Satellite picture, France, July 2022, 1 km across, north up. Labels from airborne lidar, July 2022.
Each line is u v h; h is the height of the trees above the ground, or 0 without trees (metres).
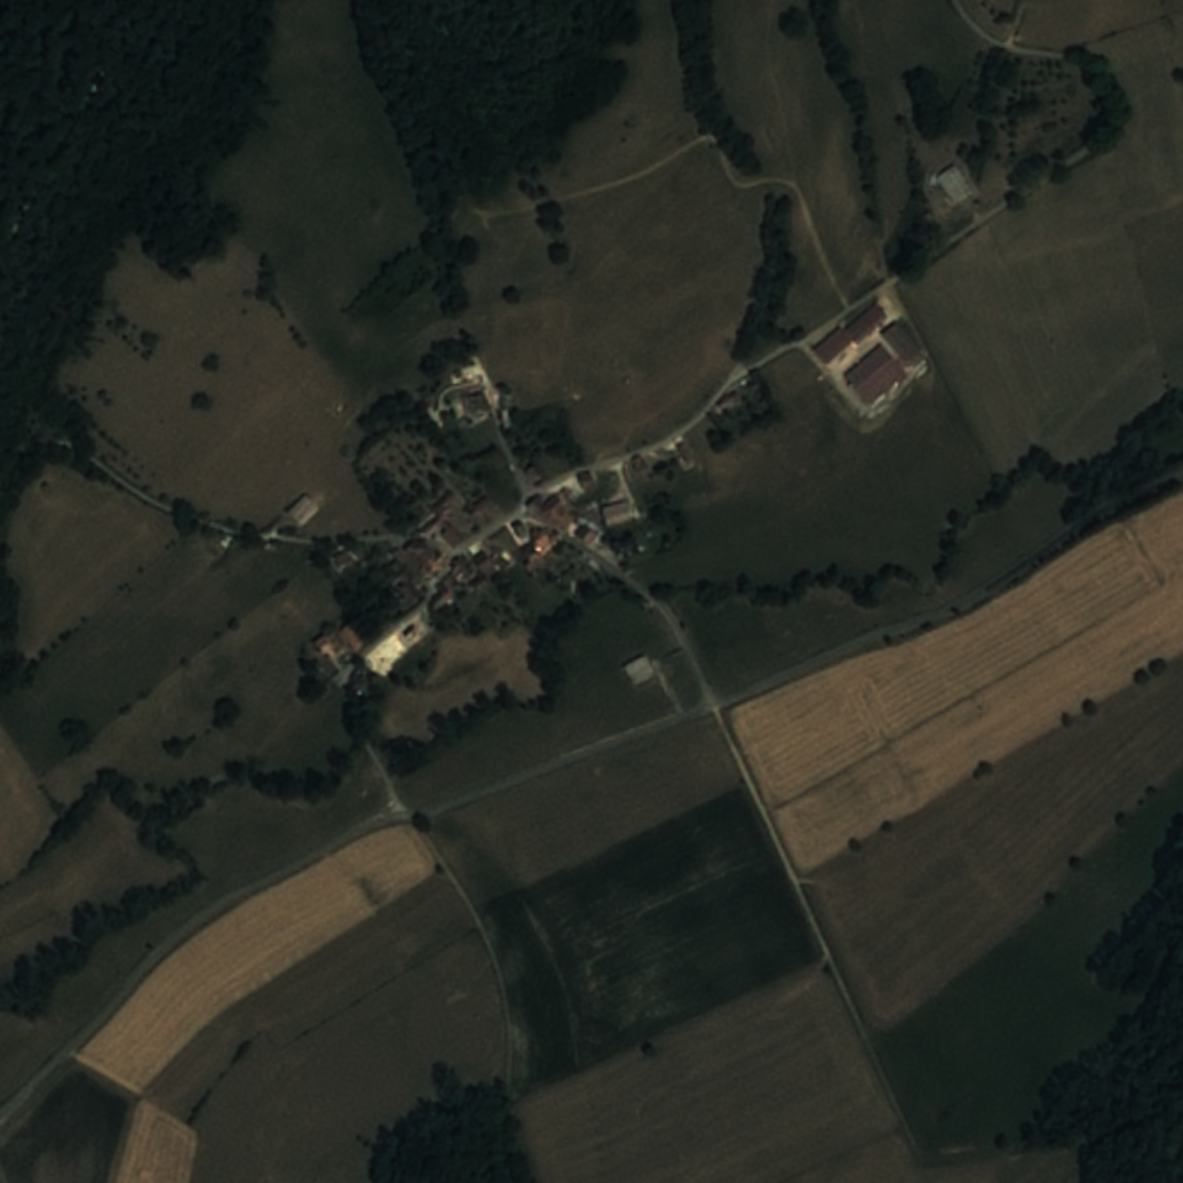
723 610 0
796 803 0
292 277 0
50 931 0
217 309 0
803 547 0
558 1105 0
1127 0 0
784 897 0
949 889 0
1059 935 0
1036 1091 0
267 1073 0
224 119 28
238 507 0
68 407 15
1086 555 0
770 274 19
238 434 0
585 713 0
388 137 0
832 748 0
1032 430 0
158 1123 0
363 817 0
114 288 0
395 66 27
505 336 0
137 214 19
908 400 0
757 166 9
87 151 18
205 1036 0
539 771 0
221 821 0
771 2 0
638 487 0
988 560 0
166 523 0
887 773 0
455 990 0
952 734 0
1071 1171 0
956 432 0
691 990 0
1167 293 0
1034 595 0
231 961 0
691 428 0
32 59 22
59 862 0
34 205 21
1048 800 0
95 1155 0
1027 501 0
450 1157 25
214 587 0
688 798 0
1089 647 0
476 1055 0
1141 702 0
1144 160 0
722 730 0
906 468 0
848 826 0
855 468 0
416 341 0
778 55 0
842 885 0
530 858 0
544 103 27
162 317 0
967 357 0
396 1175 17
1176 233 0
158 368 0
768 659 0
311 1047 0
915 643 0
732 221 0
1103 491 26
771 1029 0
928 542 0
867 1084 0
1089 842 0
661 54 0
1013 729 0
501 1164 27
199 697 0
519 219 0
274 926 0
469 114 23
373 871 0
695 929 0
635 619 0
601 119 0
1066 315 0
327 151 0
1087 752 0
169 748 14
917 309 0
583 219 0
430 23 19
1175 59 0
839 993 0
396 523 11
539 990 0
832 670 0
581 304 0
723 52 0
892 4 0
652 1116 0
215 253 32
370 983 0
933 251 27
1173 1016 22
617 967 0
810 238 0
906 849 0
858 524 0
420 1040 0
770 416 9
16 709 0
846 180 0
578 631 18
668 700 0
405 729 0
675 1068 0
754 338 22
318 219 0
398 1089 0
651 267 0
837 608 0
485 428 0
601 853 0
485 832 0
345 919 0
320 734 0
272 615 0
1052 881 0
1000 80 22
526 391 0
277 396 0
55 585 0
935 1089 0
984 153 15
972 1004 0
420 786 0
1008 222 0
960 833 0
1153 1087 18
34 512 0
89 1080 0
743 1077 0
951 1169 0
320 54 0
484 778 0
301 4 0
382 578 9
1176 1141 17
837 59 21
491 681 0
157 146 17
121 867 0
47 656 12
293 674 0
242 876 0
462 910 0
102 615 0
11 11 22
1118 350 0
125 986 0
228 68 32
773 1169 0
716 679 0
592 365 0
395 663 0
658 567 0
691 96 8
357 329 0
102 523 0
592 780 0
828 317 0
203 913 0
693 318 0
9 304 18
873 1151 0
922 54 0
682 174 0
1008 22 10
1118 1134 21
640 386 0
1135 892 0
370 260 0
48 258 18
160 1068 0
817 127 0
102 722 0
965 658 0
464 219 0
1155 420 19
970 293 0
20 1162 0
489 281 0
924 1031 0
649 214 0
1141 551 0
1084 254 0
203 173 27
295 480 0
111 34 19
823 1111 0
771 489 0
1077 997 0
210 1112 0
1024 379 0
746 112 0
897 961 0
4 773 0
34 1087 0
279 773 0
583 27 25
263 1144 0
